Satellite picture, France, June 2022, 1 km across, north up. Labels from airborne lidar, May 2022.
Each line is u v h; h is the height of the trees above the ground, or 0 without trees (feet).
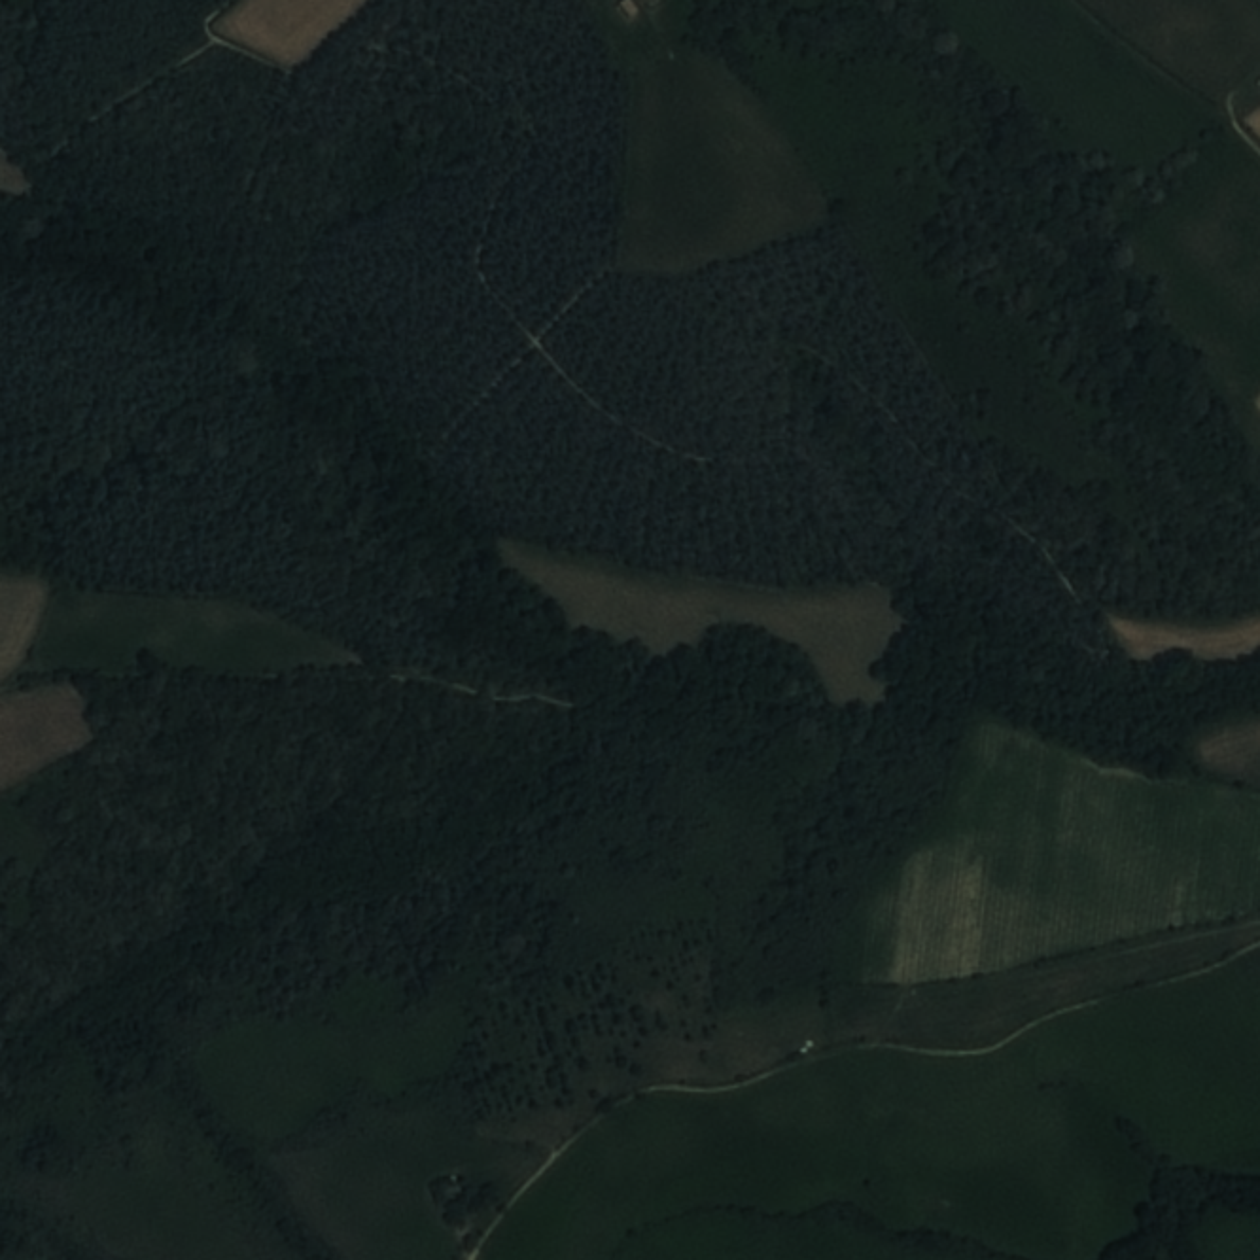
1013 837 0
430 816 39
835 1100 0
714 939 23
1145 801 0
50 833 31
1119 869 0
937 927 0
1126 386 72
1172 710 48
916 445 34
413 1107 0
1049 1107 0
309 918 38
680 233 0
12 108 56
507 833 26
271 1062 0
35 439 58
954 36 37
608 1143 0
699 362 33
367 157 60
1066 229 42
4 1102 37
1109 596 43
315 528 78
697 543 57
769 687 54
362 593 57
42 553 47
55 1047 48
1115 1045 0
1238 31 0
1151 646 0
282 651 0
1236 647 0
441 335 40
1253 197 0
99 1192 0
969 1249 35
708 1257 0
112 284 72
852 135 0
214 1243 0
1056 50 0
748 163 0
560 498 35
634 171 0
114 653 0
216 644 0
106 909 22
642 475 39
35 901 29
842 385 49
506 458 42
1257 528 44
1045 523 43
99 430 69
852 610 0
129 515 73
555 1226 0
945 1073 0
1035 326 29
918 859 0
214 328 63
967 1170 0
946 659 56
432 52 59
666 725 44
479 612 93
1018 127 96
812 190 0
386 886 73
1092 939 0
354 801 46
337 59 66
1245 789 24
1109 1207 0
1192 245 0
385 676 23
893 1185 0
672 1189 0
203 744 45
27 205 64
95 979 46
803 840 54
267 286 56
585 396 30
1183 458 49
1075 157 38
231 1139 20
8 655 0
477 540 101
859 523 55
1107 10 0
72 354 55
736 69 32
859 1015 0
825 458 62
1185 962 0
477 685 23
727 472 48
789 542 33
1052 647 56
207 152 38
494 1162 0
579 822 31
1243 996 0
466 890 23
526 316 42
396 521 79
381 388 74
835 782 28
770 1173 0
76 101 26
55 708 0
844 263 45
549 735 26
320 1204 0
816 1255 0
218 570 39
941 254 28
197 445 45
